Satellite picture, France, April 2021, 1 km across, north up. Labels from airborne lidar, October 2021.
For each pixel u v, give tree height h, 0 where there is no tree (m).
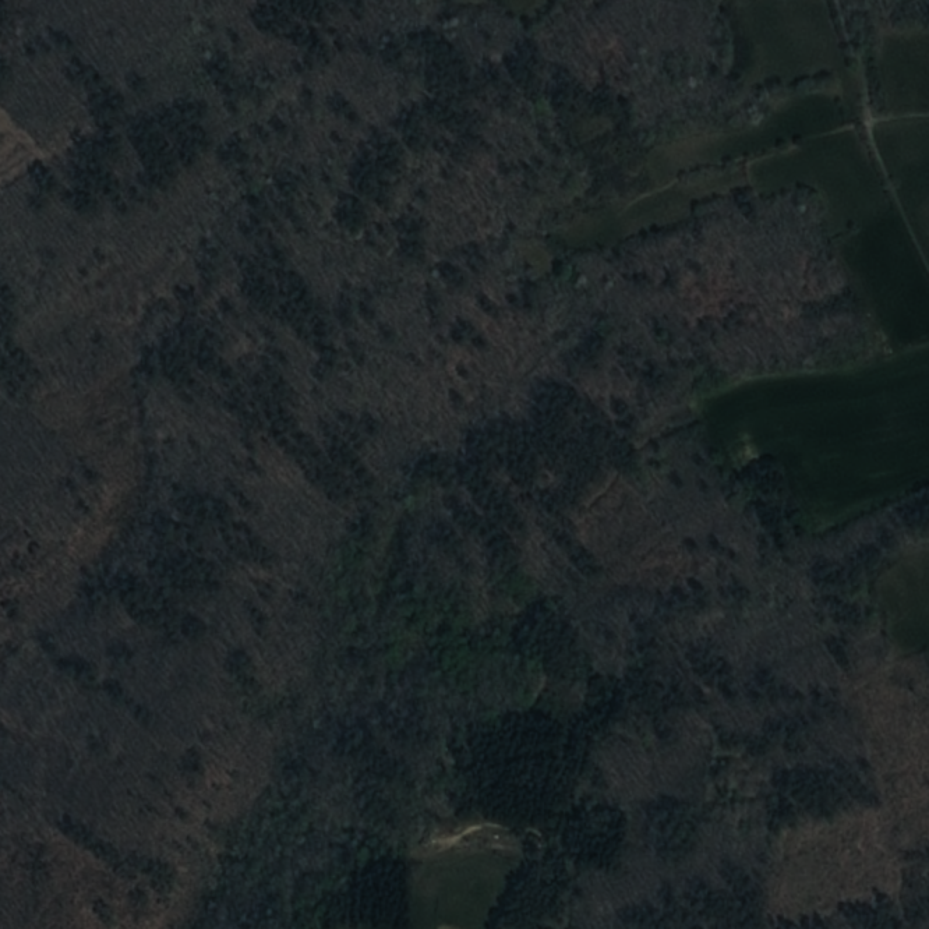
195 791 15
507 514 28
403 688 25
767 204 16
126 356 12
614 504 6
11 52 18
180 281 7
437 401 18
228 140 23
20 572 11
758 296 11
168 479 21
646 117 12
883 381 0
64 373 12
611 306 10
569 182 20
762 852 19
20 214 21
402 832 26
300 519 20
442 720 22
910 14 16
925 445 0
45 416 8
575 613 22
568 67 14
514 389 22
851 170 0
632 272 13
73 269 18
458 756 21
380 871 25
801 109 0
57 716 19
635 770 15
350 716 17
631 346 10
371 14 23
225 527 23
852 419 0
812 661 13
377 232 15
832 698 14
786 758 15
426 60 30
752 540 15
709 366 15
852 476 0
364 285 17
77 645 21
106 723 17
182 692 16
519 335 14
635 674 11
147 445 18
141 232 19
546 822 24
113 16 16
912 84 0
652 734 13
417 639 27
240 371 15
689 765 11
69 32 17
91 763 11
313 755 19
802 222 17
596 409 8
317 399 17
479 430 25
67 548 18
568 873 17
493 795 23
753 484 22
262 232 27
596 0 21
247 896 21
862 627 27
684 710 24
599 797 14
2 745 17
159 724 19
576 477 23
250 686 25
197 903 8
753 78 0
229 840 18
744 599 21
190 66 18
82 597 23
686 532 11
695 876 17
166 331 22
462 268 14
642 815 13
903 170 0
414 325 20
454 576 24
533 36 20
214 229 14
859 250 0
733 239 20
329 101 17
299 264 17
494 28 15
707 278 25
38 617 15
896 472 0
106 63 20
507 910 18
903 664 7
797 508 16
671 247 12
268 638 22
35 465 22
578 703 13
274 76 15
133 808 16
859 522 12
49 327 13
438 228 15
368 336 19
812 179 0
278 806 28
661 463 12
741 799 8
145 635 20
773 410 0
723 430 0
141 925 16
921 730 21
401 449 21
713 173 11
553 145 18
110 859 28
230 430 16
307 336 26
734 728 17
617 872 23
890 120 0
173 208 18
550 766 23
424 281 19
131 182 22
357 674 30
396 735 27
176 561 19
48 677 19
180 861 22
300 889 19
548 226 12
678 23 13
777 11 0
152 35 18
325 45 14
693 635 18
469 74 28
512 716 18
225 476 21
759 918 23
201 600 27
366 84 15
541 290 20
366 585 24
